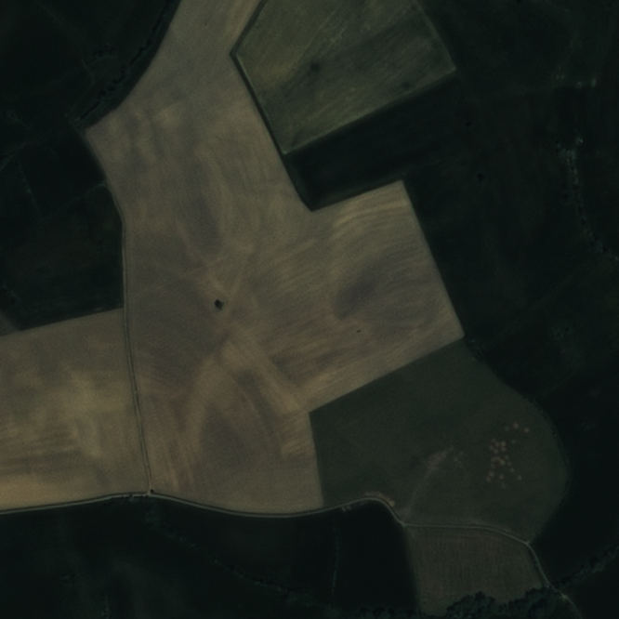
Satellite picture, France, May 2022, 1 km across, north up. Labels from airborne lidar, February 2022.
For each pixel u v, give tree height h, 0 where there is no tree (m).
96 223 0
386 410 0
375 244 0
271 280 0
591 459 0
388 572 0
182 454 0
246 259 0
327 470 0
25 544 0
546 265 0
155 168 0
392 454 0
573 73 0
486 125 0
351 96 0
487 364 0
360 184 0
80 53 0
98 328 0
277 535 0
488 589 0
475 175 0
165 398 0
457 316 0
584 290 0
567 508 0
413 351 0
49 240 0
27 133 0
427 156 0
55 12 0
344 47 0
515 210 0
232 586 0
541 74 0
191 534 0
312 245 0
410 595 0
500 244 0
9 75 0
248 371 0
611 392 0
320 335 0
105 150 0
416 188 0
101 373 0
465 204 0
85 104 0
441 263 0
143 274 0
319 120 0
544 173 0
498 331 0
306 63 0
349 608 0
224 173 0
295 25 0
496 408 0
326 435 0
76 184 0
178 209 0
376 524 0
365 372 0
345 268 0
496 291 0
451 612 11
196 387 0
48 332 0
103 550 0
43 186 0
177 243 0
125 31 0
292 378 0
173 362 0
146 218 0
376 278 0
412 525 0
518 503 0
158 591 0
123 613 0
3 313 0
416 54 0
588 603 0
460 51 0
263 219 0
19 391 0
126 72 11
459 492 0
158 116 0
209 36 0
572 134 0
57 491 0
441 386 0
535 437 0
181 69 0
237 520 0
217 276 0
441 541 0
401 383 0
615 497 0
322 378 0
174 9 0
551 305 0
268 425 0
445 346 0
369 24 0
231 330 0
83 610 0
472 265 0
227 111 0
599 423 0
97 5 0
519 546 0
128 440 0
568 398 0
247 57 0
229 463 0
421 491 0
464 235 0
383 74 0
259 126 0
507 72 0
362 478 0
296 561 0
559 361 0
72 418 0
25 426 0
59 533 0
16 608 0
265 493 0
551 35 0
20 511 0
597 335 0
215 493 0
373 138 0
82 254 0
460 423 0
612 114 0
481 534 0
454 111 0
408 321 0
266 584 7
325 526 0
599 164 0
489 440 0
